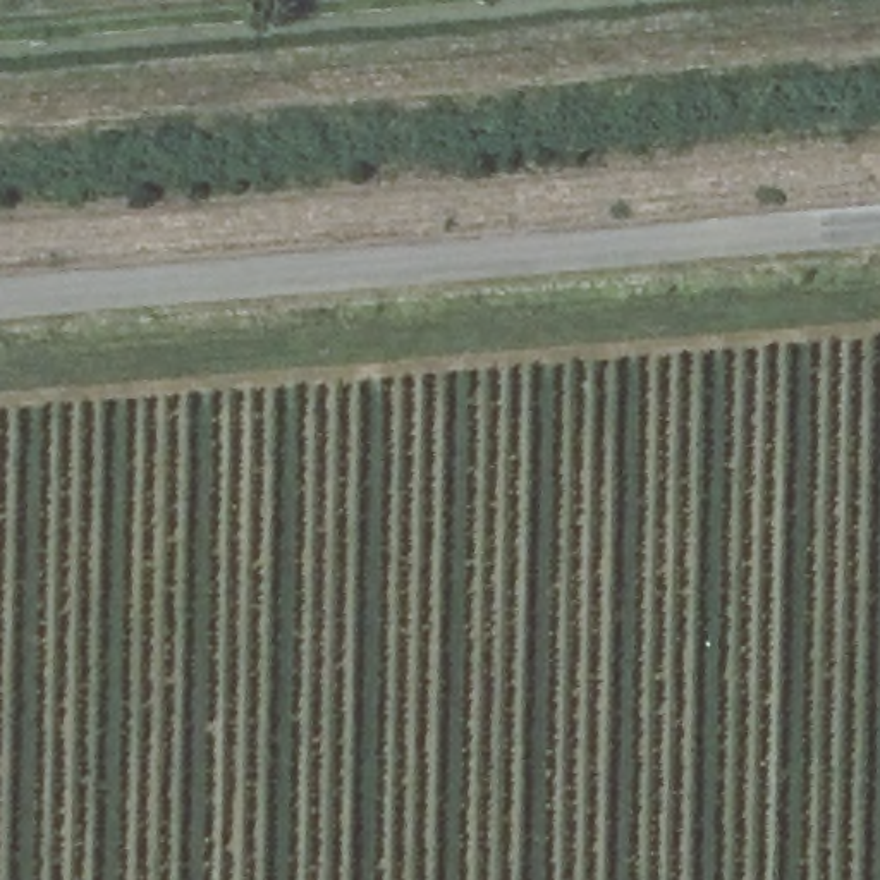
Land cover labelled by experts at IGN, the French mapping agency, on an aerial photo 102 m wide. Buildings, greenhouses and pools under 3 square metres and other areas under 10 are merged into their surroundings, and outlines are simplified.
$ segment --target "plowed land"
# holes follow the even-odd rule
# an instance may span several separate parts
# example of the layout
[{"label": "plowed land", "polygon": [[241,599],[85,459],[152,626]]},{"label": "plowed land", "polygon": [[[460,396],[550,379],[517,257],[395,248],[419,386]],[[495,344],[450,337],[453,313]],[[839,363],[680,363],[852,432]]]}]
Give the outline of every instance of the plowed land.
[{"label": "plowed land", "polygon": [[402,385],[406,375],[450,375],[488,368],[498,371],[512,364],[571,364],[605,358],[619,361],[708,351],[756,351],[770,344],[822,347],[832,340],[853,344],[880,337],[880,320],[0,392],[0,409],[21,413],[28,406],[48,402],[72,406],[110,399],[155,399],[155,406],[165,406],[168,395],[193,392],[265,392],[378,378],[392,378],[392,385]]}]

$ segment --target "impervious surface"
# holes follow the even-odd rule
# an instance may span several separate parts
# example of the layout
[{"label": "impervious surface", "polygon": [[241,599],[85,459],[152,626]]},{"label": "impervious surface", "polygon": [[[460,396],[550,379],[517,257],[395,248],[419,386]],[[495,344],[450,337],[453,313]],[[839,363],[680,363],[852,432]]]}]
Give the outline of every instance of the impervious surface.
[{"label": "impervious surface", "polygon": [[756,217],[694,220],[667,227],[619,227],[598,234],[495,237],[495,230],[485,230],[481,241],[468,244],[447,241],[426,248],[347,248],[330,254],[282,254],[131,272],[31,272],[17,278],[0,278],[0,320],[124,306],[162,309],[172,303],[433,285],[457,278],[540,275],[725,254],[859,248],[870,254],[880,244],[880,203],[828,210],[770,210]]}]

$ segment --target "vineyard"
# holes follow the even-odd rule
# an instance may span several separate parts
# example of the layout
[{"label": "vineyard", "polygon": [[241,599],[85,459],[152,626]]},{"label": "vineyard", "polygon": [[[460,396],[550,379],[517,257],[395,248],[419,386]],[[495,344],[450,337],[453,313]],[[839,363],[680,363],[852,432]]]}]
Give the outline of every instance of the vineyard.
[{"label": "vineyard", "polygon": [[853,344],[832,340],[822,347],[770,344],[756,351],[708,351],[619,361],[605,358],[571,364],[512,364],[498,371],[488,368],[450,375],[406,375],[402,385],[392,385],[392,378],[378,378],[265,392],[193,392],[168,395],[165,406],[155,406],[155,399],[110,399],[72,406],[48,402],[28,406],[21,413],[0,409],[0,880],[880,880],[880,337]]}]

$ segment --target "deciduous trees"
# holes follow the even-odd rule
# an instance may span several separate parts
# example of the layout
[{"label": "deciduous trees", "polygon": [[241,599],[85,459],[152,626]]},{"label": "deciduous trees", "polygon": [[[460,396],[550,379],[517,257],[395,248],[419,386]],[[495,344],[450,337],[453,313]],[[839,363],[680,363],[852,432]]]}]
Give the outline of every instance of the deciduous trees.
[{"label": "deciduous trees", "polygon": [[127,120],[117,131],[79,127],[62,138],[0,141],[0,203],[7,189],[21,189],[21,203],[58,203],[76,210],[93,199],[127,199],[127,206],[134,210],[148,210],[148,182],[162,186],[168,203],[189,196],[196,182],[206,182],[213,196],[278,189],[313,193],[330,182],[354,182],[361,162],[371,162],[378,168],[375,179],[382,182],[395,182],[409,172],[488,179],[478,168],[481,155],[512,151],[523,151],[526,158],[519,172],[540,175],[543,168],[598,168],[605,165],[605,155],[615,151],[636,158],[653,151],[688,155],[698,144],[722,144],[736,138],[749,144],[853,144],[880,138],[880,58],[839,69],[822,69],[815,62],[784,62],[756,69],[746,65],[725,76],[691,69],[667,76],[612,76],[574,86],[523,86],[505,96],[478,96],[471,107],[461,107],[454,96],[433,96],[423,110],[406,110],[388,100],[275,107],[268,120],[227,113],[213,117],[210,127],[199,127],[193,117],[175,113]]},{"label": "deciduous trees", "polygon": [[316,14],[392,10],[440,0],[316,0]]},{"label": "deciduous trees", "polygon": [[303,31],[296,24],[289,34],[278,34],[141,45],[148,58],[179,58],[223,52],[278,52],[292,45],[409,41],[440,34],[471,38],[516,28],[550,28],[567,21],[629,21],[674,10],[708,10],[712,34],[705,24],[667,31],[633,28],[626,31],[626,38],[633,52],[639,45],[718,45],[732,58],[760,58],[794,48],[859,45],[880,31],[880,0],[660,0],[474,21],[423,21],[392,28]]},{"label": "deciduous trees", "polygon": [[688,292],[736,285],[773,289],[780,282],[798,282],[804,268],[825,268],[835,275],[859,268],[870,254],[859,248],[725,254],[540,275],[457,278],[433,285],[172,303],[162,309],[124,306],[0,320],[0,333],[96,333],[100,327],[107,327],[110,333],[131,333],[141,327],[172,330],[175,323],[278,327],[296,309],[361,309],[375,303],[399,303],[402,316],[433,320],[433,313],[443,309],[447,299],[488,296],[488,303],[498,306],[512,303],[516,296],[529,296],[543,303],[547,292],[567,289],[598,289],[602,296],[626,299],[636,292],[660,292],[667,285]]}]

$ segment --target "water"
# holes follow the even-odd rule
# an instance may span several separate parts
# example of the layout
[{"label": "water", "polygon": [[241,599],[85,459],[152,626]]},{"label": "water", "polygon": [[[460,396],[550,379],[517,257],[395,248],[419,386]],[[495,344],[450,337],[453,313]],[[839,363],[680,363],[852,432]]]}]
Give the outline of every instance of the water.
[{"label": "water", "polygon": [[0,55],[103,52],[141,45],[278,34],[278,0],[251,0],[251,24],[182,24],[113,34],[0,41]]},{"label": "water", "polygon": [[392,10],[316,14],[296,24],[303,31],[392,28],[423,21],[474,21],[660,0],[440,0]]}]

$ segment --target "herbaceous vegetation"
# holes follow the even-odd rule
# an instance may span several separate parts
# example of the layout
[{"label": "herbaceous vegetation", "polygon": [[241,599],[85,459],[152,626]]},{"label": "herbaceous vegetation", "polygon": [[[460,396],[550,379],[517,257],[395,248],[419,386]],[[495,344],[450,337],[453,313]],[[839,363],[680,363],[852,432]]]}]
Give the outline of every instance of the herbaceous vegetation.
[{"label": "herbaceous vegetation", "polygon": [[516,296],[512,303],[498,306],[488,303],[488,296],[447,299],[443,309],[433,313],[433,320],[402,316],[399,303],[375,303],[361,309],[296,309],[278,327],[175,323],[172,330],[141,327],[131,333],[110,333],[107,327],[100,327],[96,333],[0,333],[0,392],[880,320],[880,244],[870,254],[859,268],[835,275],[825,268],[804,268],[798,282],[780,282],[773,289],[736,285],[688,292],[667,285],[660,292],[636,292],[626,299],[602,296],[598,289],[567,289],[547,292],[543,303],[529,296]]},{"label": "herbaceous vegetation", "polygon": [[0,41],[113,34],[182,24],[251,24],[251,0],[0,0]]},{"label": "herbaceous vegetation", "polygon": [[0,203],[0,278],[17,278],[31,272],[131,272],[282,254],[330,254],[347,248],[426,248],[447,241],[468,244],[481,241],[485,230],[495,230],[495,237],[598,234],[619,227],[667,227],[694,220],[756,217],[770,210],[828,210],[880,203],[880,138],[853,144],[749,144],[736,138],[722,144],[698,144],[688,155],[653,151],[636,158],[615,151],[605,155],[605,165],[598,168],[543,168],[540,175],[519,172],[526,158],[523,151],[512,151],[481,155],[478,168],[488,179],[409,172],[395,182],[382,182],[375,179],[378,168],[371,162],[361,162],[354,182],[330,182],[313,193],[278,189],[213,196],[206,182],[196,182],[189,196],[168,203],[162,186],[148,182],[148,210],[134,210],[127,206],[127,199],[93,199],[76,210],[58,203],[21,203],[21,189],[7,189]]},{"label": "herbaceous vegetation", "polygon": [[423,110],[433,96],[454,96],[461,107],[471,107],[478,96],[505,96],[523,86],[574,86],[612,76],[667,76],[691,69],[725,76],[746,65],[756,69],[784,62],[815,62],[822,69],[839,69],[880,58],[880,31],[859,45],[794,48],[760,58],[732,58],[718,45],[639,45],[633,52],[626,38],[626,31],[633,28],[667,31],[705,24],[712,34],[708,10],[674,10],[629,21],[567,21],[550,28],[516,28],[471,38],[440,34],[409,41],[292,45],[278,52],[223,52],[179,58],[148,58],[141,45],[103,52],[0,55],[0,141],[62,138],[79,127],[117,131],[127,120],[175,113],[193,117],[199,127],[210,127],[213,117],[227,113],[268,120],[275,107],[388,100],[406,110]]},{"label": "herbaceous vegetation", "polygon": [[296,24],[316,14],[316,0],[278,0],[278,34],[289,34]]}]

